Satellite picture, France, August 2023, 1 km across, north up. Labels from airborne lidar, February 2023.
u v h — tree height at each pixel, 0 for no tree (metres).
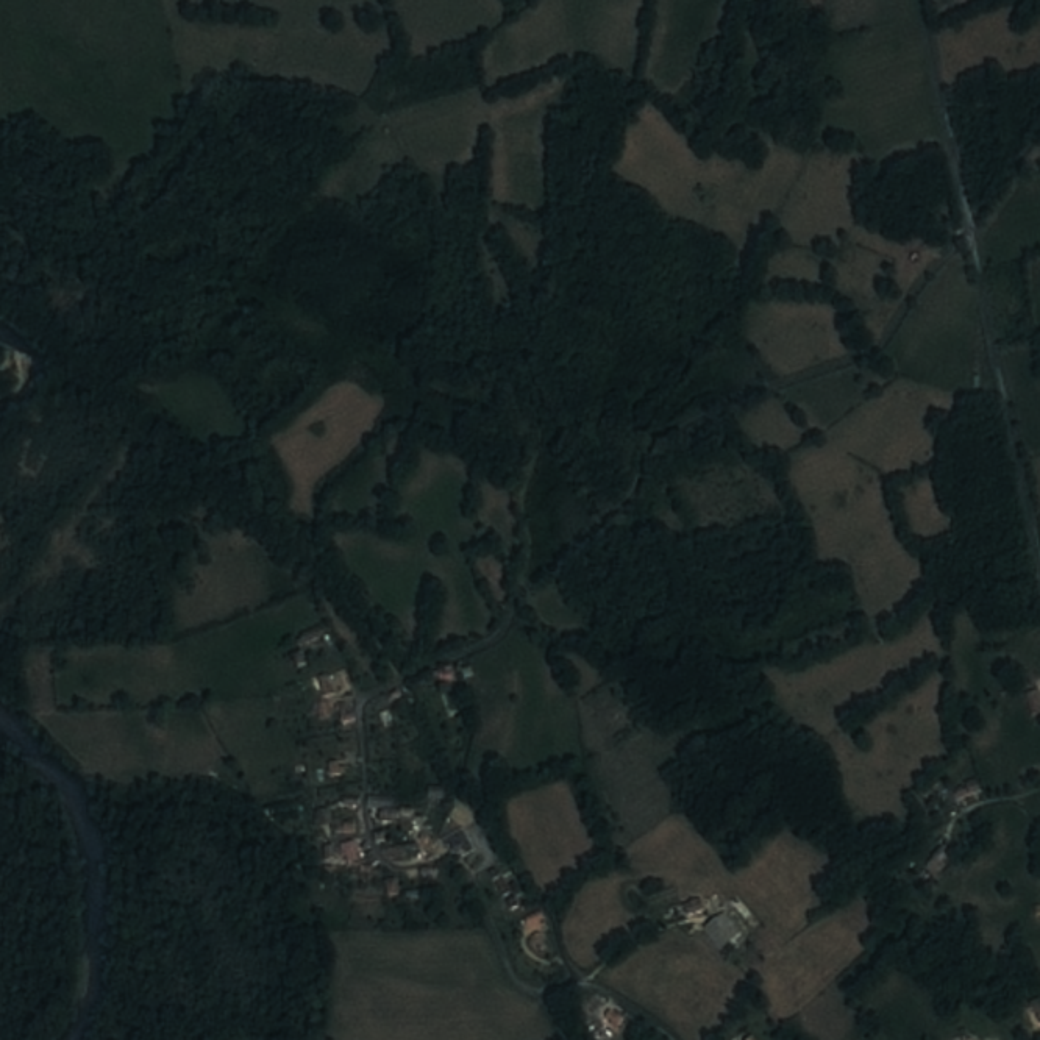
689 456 19
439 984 0
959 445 14
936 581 18
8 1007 13
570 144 22
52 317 11
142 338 11
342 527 18
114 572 10
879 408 0
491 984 0
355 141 7
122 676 0
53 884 17
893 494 18
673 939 0
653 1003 0
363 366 0
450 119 0
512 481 23
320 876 13
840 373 0
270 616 0
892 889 19
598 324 13
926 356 0
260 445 18
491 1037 0
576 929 0
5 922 11
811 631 8
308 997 18
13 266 14
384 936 0
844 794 9
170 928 18
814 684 0
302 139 17
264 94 20
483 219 15
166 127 19
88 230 21
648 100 17
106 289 15
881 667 0
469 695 23
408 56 14
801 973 0
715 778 15
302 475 0
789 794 19
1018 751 0
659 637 25
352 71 0
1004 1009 19
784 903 0
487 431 14
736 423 15
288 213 16
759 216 0
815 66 18
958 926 15
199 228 19
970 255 9
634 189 16
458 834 0
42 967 15
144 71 0
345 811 0
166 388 0
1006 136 21
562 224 22
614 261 14
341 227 6
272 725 10
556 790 0
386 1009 0
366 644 12
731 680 17
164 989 9
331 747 0
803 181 0
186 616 0
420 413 15
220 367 11
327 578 12
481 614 0
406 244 20
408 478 19
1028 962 23
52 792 14
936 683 0
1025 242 0
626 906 0
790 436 0
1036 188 0
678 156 0
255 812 16
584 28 0
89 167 26
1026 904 0
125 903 15
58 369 7
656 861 0
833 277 13
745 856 23
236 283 20
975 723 21
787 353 0
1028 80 12
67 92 0
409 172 13
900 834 25
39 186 27
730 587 9
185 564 15
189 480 17
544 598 0
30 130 24
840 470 0
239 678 0
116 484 6
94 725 0
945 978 10
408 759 0
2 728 0
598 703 0
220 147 22
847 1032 0
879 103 0
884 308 0
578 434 23
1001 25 0
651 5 14
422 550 0
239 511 17
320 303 9
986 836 18
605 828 18
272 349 22
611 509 16
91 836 0
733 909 0
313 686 0
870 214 20
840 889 25
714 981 0
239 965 6
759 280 20
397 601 0
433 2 0
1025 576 7
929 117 0
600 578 18
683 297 17
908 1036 0
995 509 11
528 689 0
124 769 0
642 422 9
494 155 12
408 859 0
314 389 10
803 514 16
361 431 0
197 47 0
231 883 5
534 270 6
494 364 19
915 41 0
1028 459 7
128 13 0
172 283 22
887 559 0
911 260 0
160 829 18
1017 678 24
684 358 7
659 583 20
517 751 0
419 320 7
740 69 21
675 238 12
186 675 0
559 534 0
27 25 0
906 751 0
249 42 0
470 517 16
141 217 20
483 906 13
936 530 0
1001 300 0
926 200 14
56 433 6
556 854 0
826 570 18
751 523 12
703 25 0
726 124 22
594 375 19
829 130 0
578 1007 19
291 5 0
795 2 14
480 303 21
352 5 0
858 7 0
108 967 9
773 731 22
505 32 0
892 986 0
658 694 20
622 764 0
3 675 16
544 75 13
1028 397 0
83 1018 0
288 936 15
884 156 0
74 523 0
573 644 19
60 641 18
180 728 0
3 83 0
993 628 17
